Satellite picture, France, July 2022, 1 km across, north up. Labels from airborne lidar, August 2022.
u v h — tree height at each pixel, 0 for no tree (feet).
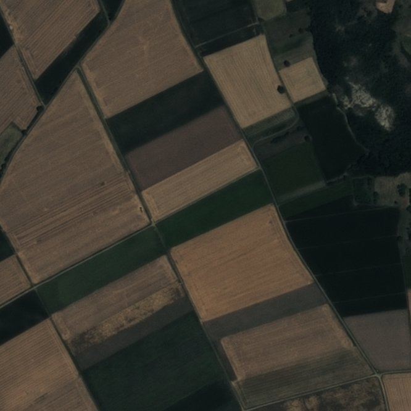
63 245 0
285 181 0
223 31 0
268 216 0
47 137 0
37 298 0
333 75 43
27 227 0
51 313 0
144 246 0
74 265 0
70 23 0
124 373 0
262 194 0
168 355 0
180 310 0
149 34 0
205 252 0
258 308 0
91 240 0
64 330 0
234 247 0
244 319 0
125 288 0
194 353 0
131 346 0
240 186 0
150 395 0
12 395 0
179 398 0
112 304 0
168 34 0
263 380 0
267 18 0
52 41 0
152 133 0
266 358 0
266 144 0
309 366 0
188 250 0
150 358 0
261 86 0
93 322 0
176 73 0
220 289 0
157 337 0
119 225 0
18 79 0
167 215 0
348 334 0
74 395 0
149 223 0
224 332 0
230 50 0
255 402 0
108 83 0
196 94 0
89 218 0
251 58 0
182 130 0
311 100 0
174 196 0
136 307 0
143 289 0
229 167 0
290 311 0
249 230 0
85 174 0
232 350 0
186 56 0
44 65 0
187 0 0
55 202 0
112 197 0
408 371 0
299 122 0
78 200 0
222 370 0
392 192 0
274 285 0
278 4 0
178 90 0
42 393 0
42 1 0
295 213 0
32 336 0
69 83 0
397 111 18
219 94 0
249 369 0
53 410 0
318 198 0
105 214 0
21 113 0
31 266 0
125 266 0
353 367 0
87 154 0
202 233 0
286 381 0
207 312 0
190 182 0
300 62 0
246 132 0
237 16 0
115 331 0
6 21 0
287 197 0
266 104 0
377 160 34
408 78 21
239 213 0
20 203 0
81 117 0
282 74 0
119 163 0
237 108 0
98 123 0
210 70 0
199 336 0
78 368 0
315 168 0
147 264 0
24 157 0
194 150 0
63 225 0
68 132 0
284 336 0
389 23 26
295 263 0
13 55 0
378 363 0
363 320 0
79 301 0
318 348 0
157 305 0
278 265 0
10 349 0
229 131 0
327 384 0
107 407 0
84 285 0
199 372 0
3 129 0
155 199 0
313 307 0
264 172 0
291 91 0
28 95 0
